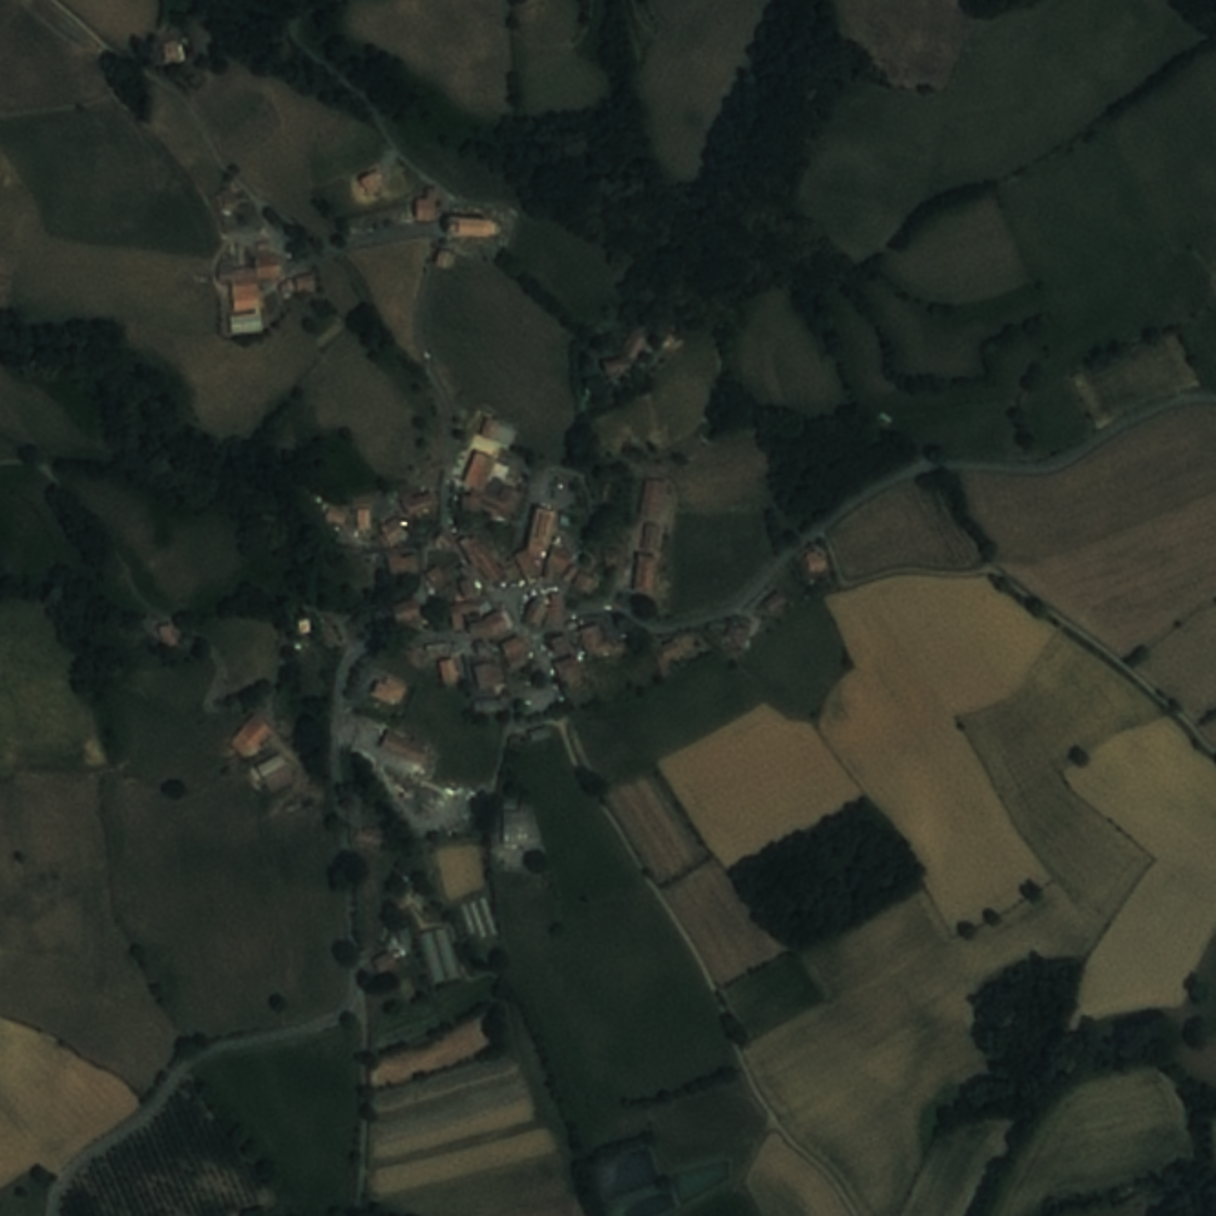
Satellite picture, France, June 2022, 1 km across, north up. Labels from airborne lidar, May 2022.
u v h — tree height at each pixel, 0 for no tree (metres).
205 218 0
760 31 10
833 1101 0
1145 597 0
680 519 0
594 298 0
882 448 10
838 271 19
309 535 28
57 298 0
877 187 0
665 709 0
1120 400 0
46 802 0
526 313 0
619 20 14
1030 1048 16
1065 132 0
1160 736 0
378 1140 0
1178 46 0
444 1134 0
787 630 0
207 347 0
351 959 19
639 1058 0
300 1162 0
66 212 0
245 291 0
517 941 0
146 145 0
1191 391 0
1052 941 0
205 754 0
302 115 0
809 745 0
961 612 0
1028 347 0
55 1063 0
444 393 0
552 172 28
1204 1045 17
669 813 0
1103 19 0
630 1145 10
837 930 13
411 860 6
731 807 0
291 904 0
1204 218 0
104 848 0
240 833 0
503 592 0
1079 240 0
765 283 23
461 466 0
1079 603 0
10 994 0
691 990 0
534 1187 0
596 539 20
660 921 0
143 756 0
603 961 0
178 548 0
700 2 0
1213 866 0
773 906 14
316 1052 0
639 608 20
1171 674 0
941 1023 0
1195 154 0
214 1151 7
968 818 0
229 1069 0
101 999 0
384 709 0
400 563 0
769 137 26
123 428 22
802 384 0
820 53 32
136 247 0
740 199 30
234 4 7
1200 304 0
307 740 19
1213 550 0
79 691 14
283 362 0
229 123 0
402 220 0
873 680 0
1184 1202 19
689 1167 0
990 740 0
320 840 0
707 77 0
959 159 0
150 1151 8
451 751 0
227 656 0
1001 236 0
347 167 0
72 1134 0
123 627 12
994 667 0
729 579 0
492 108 0
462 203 0
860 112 0
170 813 0
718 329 18
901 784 0
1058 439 0
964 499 10
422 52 0
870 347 0
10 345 27
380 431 0
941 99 0
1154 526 0
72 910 0
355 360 0
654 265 21
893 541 0
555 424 0
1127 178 0
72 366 17
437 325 0
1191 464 0
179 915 0
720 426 22
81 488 0
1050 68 0
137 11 0
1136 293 0
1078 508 0
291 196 0
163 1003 6
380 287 0
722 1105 0
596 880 0
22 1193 12
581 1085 0
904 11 0
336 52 21
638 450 24
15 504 0
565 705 9
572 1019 0
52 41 0
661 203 29
